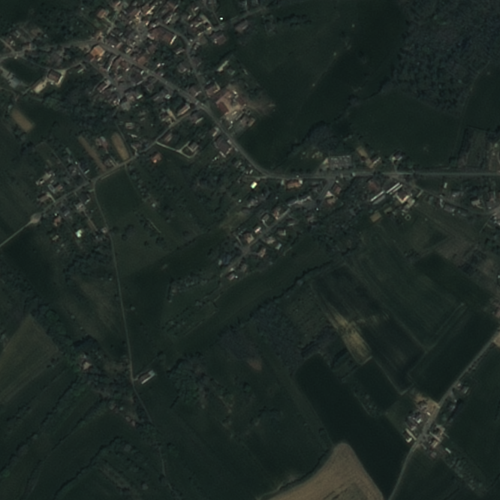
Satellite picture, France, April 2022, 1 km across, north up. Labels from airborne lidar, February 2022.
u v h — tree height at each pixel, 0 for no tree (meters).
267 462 0
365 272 0
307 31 0
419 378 0
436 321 0
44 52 6
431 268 0
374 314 0
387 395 0
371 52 0
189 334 0
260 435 0
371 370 0
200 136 8
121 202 0
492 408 0
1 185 0
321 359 0
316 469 5
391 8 0
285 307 0
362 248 6
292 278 0
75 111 6
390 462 0
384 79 0
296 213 13
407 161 9
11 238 0
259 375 0
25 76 0
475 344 0
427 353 0
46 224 16
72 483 10
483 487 9
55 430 6
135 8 0
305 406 0
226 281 0
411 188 0
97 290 0
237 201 0
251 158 0
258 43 0
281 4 18
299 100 0
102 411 13
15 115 0
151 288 0
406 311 0
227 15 0
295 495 0
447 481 0
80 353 15
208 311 0
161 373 0
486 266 0
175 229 0
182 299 0
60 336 21
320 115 0
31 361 0
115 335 0
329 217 8
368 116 0
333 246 6
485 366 0
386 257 0
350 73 0
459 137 0
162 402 0
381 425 0
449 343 0
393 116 0
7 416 0
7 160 0
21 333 0
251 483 0
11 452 0
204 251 0
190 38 7
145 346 0
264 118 0
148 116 0
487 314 0
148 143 0
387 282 0
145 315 0
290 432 0
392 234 0
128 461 8
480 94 0
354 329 0
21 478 0
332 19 0
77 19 7
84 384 14
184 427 0
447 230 0
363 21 0
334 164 0
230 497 0
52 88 0
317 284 0
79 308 0
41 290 0
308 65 0
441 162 0
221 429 0
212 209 7
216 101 0
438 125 0
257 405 0
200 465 0
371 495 0
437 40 6
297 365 10
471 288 0
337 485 0
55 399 0
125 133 0
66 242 7
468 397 0
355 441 0
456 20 24
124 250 0
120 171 0
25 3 0
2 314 0
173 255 0
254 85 0
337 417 0
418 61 8
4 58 0
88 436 0
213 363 0
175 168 0
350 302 0
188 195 0
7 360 0
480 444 0
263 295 0
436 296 0
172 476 0
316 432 0
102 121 7
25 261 0
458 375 0
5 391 0
